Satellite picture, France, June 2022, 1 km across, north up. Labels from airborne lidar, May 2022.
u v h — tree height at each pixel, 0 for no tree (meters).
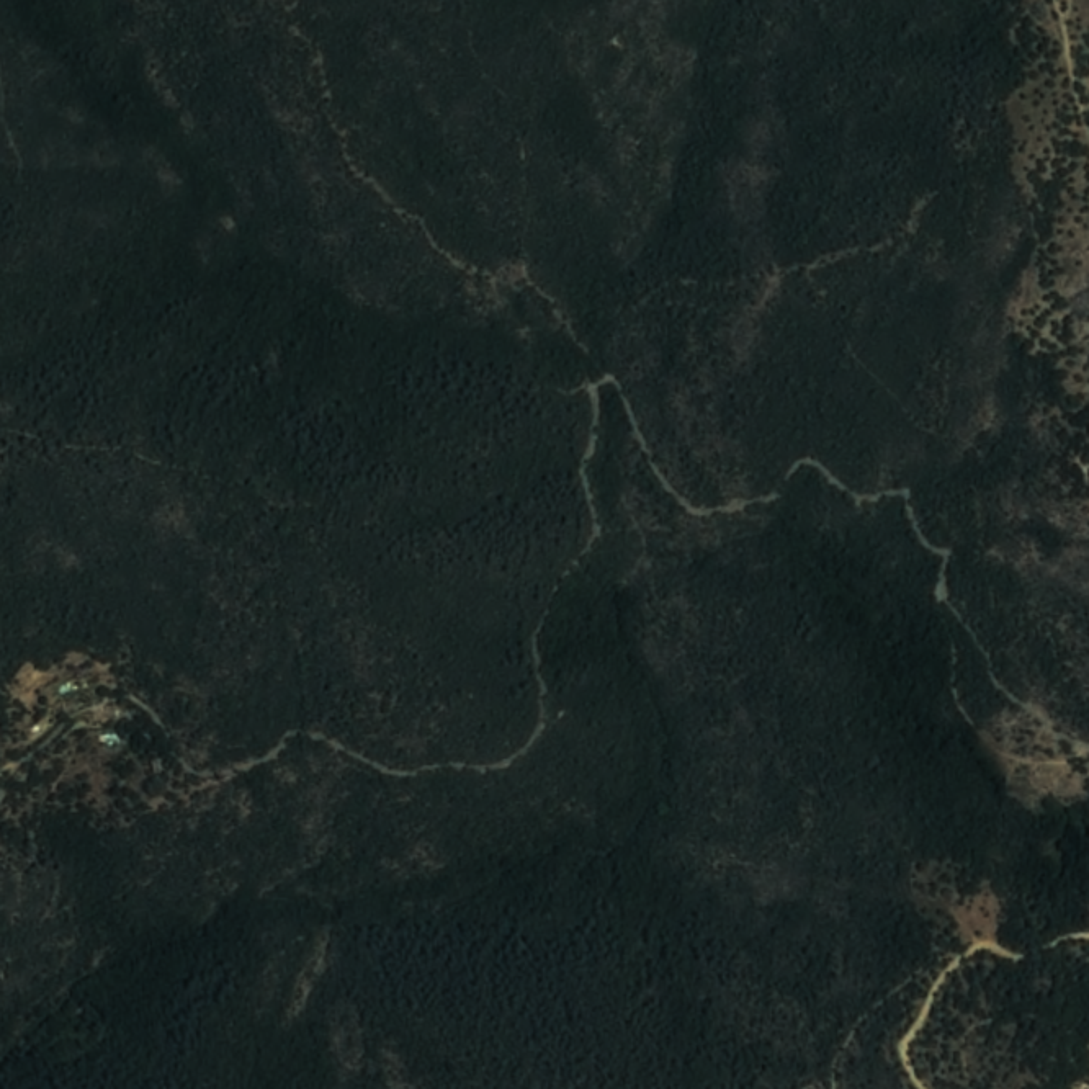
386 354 7
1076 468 6
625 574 8
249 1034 7
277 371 7
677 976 17
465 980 19
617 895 9
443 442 12
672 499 8
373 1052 8
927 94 6
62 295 9
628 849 11
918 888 6
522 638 16
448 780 9
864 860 8
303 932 6
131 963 10
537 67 6
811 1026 6
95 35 7
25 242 8
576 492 15
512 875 8
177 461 9
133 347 7
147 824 6
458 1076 6
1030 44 8
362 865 11
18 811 11
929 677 10
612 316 6
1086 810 8
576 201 6
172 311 16
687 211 8
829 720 8
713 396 9
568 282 6
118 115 7
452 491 6
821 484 7
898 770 9
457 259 6
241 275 9
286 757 6
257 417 9
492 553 10
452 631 8
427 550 9
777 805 7
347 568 6
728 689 6
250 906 7
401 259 7
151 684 10
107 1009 10
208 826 10
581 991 20
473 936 18
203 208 7
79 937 7
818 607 11
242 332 8
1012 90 6
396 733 6
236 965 11
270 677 8
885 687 15
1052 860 10
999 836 6
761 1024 6
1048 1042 14
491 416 12
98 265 12
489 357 6
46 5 6
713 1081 6
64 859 7
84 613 8
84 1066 8
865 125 6
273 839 10
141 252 11
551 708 6
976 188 6
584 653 8
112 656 11
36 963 6
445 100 6
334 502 7
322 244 7
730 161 6
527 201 7
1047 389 6
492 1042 12
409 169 9
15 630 8
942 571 7
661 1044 15
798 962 6
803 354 8
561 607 10
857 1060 8
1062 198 8
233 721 8
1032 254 7
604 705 7
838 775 7
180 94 6
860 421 7
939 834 9
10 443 15
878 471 5
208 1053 7
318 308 11
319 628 11
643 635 6
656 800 6
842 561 9
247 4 6
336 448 15
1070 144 8
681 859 6
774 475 11
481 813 8
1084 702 7
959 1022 10
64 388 16
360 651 6
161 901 8
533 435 7
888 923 8
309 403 6
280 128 6
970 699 9
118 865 9
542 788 7
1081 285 0
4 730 13
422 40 8
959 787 8
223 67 5
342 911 11
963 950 9
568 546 9
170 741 7
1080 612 6
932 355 6
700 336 7
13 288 8
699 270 6
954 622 8
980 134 8
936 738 14
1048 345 9
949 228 6
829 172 6
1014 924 11
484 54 6
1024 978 13
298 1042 11
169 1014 10
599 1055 17
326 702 6
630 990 15
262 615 9
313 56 6
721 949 15
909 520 7
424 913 5
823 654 7
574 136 5
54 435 15
